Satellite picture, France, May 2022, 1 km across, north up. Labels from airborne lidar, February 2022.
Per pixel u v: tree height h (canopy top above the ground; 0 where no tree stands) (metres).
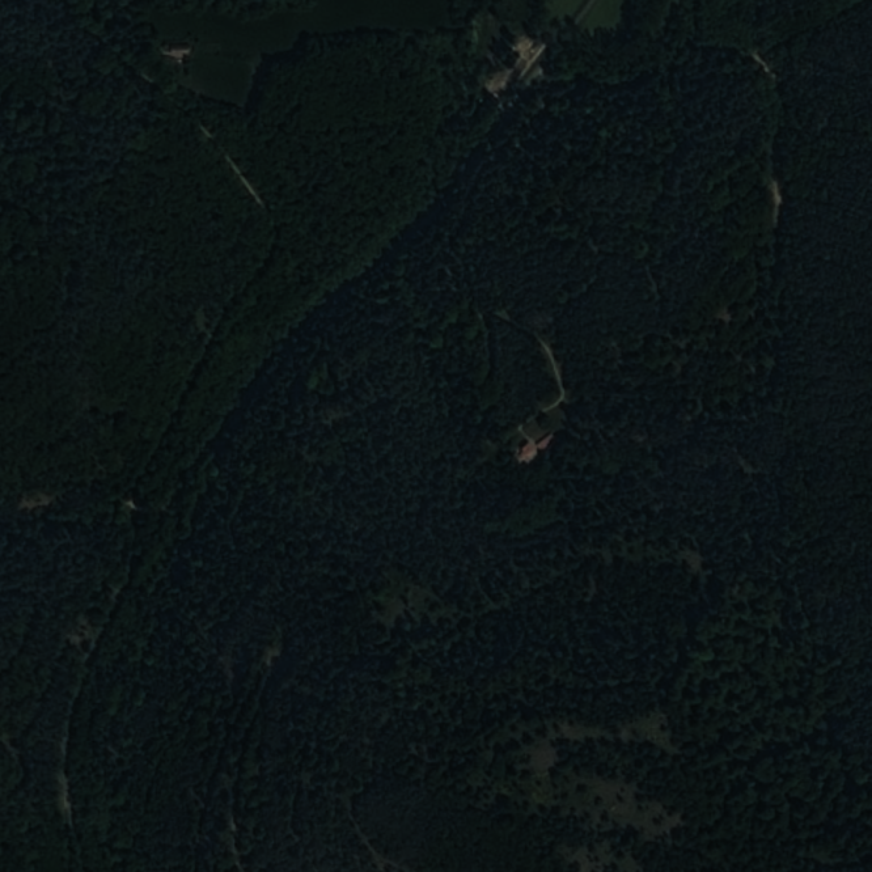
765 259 18
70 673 26
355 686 23
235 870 19
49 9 34
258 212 20
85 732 17
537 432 0
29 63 28
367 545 32
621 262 20
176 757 19
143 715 18
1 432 25
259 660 9
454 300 30
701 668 37
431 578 36
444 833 13
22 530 38
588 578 11
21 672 22
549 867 10
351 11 0
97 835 21
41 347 25
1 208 28
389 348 30
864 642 29
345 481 35
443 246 30
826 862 0
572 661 7
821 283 21
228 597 23
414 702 24
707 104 27
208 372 22
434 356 36
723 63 31
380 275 7
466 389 33
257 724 14
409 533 28
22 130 38
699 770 16
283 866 10
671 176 35
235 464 33
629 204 22
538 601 12
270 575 35
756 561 33
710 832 23
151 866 8
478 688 35
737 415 38
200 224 27
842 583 23
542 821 9
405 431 33
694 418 32
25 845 22
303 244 17
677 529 33
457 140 25
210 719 33
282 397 29
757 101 26
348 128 24
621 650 14
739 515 35
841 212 23
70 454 26
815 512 27
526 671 33
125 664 23
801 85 24
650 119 30
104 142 42
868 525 25
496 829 15
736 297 13
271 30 0
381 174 25
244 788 13
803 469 21
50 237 29
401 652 30
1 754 23
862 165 21
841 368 22
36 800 20
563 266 21
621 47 29
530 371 23
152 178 31
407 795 22
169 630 25
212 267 23
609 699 15
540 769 0
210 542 34
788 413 23
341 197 20
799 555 27
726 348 8
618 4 0
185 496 25
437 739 15
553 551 33
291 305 24
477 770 8
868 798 28
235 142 21
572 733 0
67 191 38
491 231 13
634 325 17
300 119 22
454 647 33
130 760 12
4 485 23
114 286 26
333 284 27
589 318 21
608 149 24
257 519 24
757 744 36
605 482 30
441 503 38
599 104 34
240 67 0
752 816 10
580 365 18
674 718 9
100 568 25
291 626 22
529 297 24
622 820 0
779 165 14
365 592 13
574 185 19
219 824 32
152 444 20
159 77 12
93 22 29
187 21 0
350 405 27
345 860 8
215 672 11
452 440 31
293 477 26
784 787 41
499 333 25
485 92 0
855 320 23
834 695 26
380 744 15
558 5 0
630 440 28
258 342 23
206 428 22
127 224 22
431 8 0
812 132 20
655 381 14
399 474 36
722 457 30
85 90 35
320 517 36
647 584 13
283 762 14
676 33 22
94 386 12
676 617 36
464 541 39
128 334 23
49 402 25
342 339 34
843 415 19
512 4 0
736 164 22
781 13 24
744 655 40
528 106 33
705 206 21
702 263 14
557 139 30
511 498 30
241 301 21
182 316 21
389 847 11
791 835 10
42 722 24
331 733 18
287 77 21
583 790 12
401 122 20
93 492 29
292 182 22
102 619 21
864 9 23
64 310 27
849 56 22
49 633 21
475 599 35
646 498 35
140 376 19
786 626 0
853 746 28
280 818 13
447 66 22
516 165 33
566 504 30
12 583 43
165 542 24
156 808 15
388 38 17
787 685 39
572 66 19
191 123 22
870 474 22
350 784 16
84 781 21
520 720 9
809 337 24
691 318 13
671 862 13
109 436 23
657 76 29
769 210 19
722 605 33
